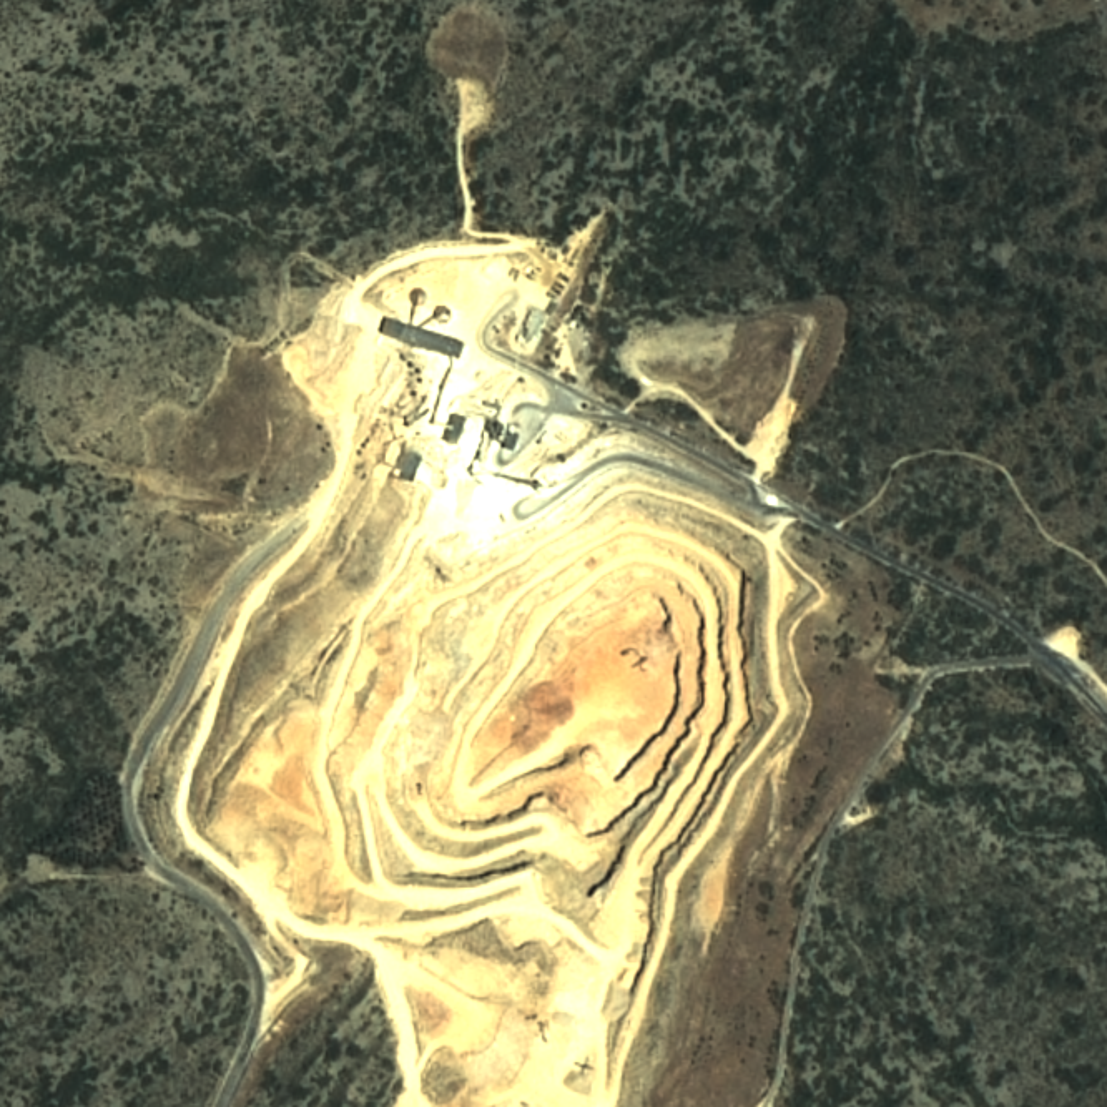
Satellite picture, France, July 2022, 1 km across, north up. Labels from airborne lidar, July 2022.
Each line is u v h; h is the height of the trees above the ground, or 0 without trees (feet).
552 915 0
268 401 0
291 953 0
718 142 0
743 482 0
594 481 0
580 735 0
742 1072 0
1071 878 0
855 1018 18
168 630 0
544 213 0
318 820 0
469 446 0
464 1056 0
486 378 0
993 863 0
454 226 0
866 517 0
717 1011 0
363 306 0
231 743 0
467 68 0
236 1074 0
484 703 0
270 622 0
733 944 0
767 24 0
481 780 0
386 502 0
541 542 0
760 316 0
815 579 0
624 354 0
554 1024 0
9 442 0
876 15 0
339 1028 0
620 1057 0
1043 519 0
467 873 0
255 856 0
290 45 0
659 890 0
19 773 0
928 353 0
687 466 0
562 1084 0
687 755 0
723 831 0
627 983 0
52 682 0
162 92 0
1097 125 0
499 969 0
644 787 0
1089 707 0
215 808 0
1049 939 0
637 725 0
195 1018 0
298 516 0
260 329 0
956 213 0
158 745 0
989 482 0
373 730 0
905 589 0
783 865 0
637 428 0
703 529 0
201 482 0
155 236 0
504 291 0
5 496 0
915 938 0
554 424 0
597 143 0
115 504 0
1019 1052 0
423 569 0
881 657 0
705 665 0
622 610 0
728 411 0
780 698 0
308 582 0
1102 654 0
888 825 0
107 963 0
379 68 0
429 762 0
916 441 0
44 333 0
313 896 0
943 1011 0
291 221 0
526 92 0
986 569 0
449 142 0
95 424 0
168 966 0
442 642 0
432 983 0
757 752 0
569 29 0
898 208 0
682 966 0
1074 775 0
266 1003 0
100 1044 0
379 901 0
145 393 0
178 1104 0
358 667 0
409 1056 0
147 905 0
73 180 0
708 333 0
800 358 0
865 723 0
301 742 0
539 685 0
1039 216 0
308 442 0
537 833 0
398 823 0
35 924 0
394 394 0
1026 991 0
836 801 0
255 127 0
